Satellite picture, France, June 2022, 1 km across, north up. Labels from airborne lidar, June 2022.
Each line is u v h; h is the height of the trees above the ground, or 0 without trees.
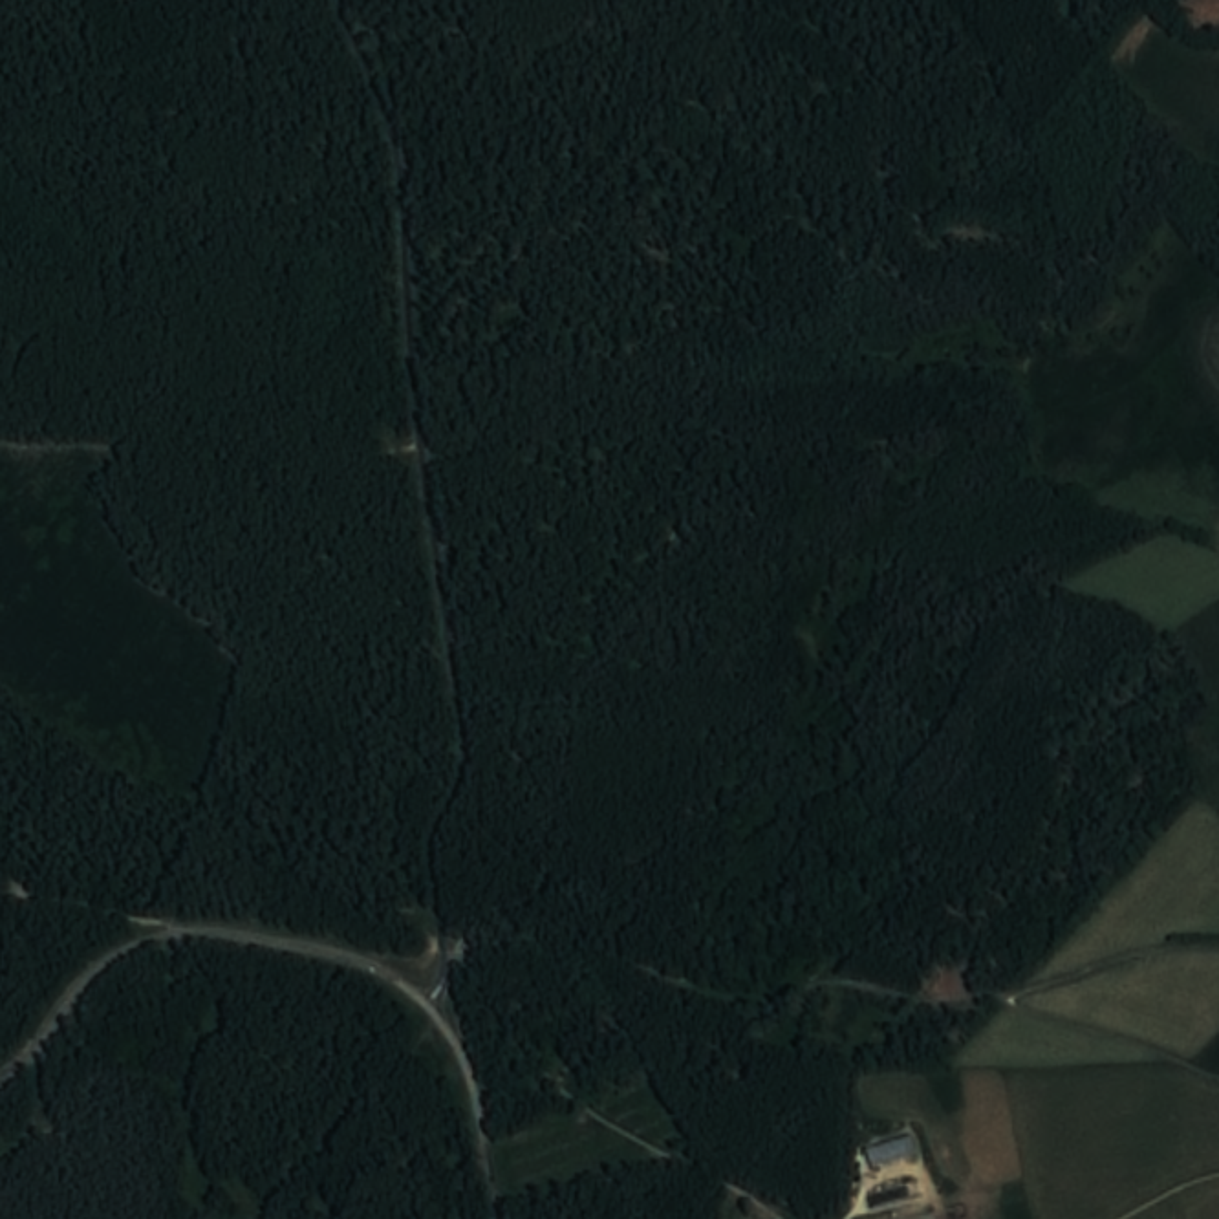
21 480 0
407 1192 30
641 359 15
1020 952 20
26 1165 22
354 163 27
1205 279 0
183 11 20
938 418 20
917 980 22
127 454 20
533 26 26
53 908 26
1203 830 0
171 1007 25
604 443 22
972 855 25
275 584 24
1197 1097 0
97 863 22
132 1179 22
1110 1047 0
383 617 19
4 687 9
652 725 23
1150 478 0
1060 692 29
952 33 30
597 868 25
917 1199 0
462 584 26
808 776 18
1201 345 0
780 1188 22
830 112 21
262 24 29
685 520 26
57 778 22
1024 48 24
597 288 24
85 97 24
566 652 14
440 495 23
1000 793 24
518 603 25
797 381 31
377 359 16
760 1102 28
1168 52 0
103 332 17
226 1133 19
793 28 22
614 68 14
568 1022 9
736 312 31
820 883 20
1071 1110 0
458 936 17
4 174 19
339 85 27
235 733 23
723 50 27
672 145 21
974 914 23
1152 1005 0
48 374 16
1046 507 16
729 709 25
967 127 20
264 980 25
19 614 0
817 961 7
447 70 16
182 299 20
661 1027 29
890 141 27
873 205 19
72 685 0
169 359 20
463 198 28
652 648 18
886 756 15
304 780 23
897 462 9
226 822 13
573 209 25
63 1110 23
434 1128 28
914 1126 0
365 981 24
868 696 15
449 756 23
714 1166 25
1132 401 0
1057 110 26
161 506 25
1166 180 21
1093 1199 0
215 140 20
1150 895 0
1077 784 10
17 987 22
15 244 20
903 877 13
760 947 17
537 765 25
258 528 24
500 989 26
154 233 18
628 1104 0
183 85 16
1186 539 13
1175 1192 0
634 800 19
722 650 22
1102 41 27
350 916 23
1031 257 24
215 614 18
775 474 21
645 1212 23
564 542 18
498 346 11
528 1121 23
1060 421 0
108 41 15
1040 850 8
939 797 21
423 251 28
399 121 29
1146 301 0
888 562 11
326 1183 25
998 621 24
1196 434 0
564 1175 0
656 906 22
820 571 14
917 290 24
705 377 28
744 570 21
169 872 15
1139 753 19
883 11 28
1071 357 0
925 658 21
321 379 16
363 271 20
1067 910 12
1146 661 30
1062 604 20
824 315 28
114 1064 23
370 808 29
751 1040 32
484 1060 19
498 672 19
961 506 15
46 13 22
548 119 24
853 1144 15
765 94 25
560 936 27
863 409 20
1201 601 0
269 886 28
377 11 20
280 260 20
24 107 21
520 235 21
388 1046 23
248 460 20
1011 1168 0
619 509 14
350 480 22
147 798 27
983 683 21
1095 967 0
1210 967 0
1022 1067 0
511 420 26
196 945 28
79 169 21
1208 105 0
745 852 16
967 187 17
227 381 22
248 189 23
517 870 27
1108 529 17
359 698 19
